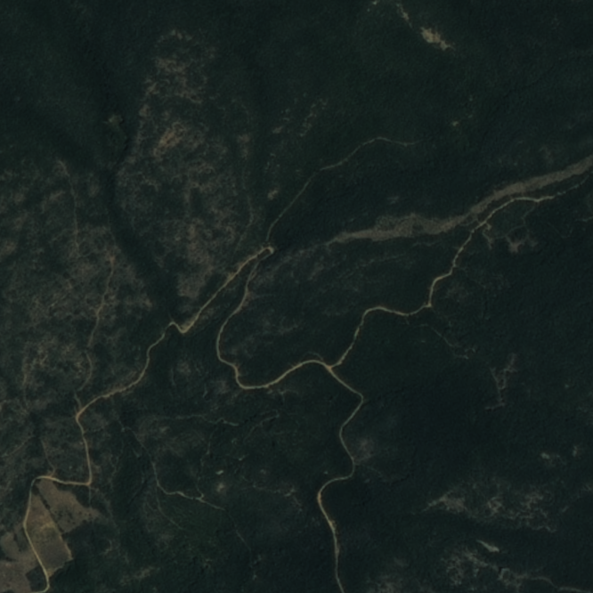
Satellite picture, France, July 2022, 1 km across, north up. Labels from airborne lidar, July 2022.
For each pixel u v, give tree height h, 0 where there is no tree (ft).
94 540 31
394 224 0
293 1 26
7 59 26
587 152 18
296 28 21
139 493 20
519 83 37
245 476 25
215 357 22
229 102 18
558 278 25
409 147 20
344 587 20
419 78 24
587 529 18
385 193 26
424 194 24
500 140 22
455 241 18
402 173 53
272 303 21
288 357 19
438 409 28
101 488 19
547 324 20
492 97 25
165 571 27
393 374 18
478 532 23
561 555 18
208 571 28
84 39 50
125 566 20
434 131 33
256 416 31
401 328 18
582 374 22
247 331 20
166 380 22
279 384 19
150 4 22
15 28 22
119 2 21
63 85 20
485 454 23
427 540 18
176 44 19
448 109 24
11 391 18
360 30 17
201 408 29
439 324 18
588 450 20
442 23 19
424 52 25
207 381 21
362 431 17
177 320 24
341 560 18
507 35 19
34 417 21
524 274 25
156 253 19
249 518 20
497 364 20
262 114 27
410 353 19
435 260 21
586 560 20
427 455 25
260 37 23
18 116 26
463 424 28
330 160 21
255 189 21
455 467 25
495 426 33
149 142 18
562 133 20
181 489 19
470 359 22
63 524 0
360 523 20
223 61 17
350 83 21
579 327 19
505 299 21
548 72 27
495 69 25
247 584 22
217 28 24
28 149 20
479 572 20
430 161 46
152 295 19
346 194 41
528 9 20
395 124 22
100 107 28
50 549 0
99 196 21
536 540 20
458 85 29
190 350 21
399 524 20
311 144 21
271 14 23
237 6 20
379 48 22
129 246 26
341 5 24
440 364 21
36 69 19
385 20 23
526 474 18
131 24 25
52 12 28
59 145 37
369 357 19
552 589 21
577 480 19
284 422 19
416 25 17
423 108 21
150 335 18
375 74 22
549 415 24
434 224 0
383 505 29
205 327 18
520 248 21
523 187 0
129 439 26
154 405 29
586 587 20
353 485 23
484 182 24
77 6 19
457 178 23
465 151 38
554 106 36
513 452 19
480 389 35
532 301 26
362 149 22
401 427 25
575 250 30
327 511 18
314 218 33
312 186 28
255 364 19
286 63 19
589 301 29
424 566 19
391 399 29
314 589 18
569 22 31
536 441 22
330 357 18
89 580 22
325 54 24
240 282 20
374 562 20
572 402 18
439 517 30
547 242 26
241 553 26
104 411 28
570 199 19
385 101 28
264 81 37
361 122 28
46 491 0
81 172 22
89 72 40
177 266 20
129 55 24
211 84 17
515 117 26
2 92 29
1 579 0
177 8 20
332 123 27
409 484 20
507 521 21
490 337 26
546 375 19
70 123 21
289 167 18
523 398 31
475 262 23
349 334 19
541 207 18
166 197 18
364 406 29
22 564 0
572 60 21
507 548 19
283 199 23
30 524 0
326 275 17
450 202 23
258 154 24
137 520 28
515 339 20
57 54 23
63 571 27
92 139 18
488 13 20
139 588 25
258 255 18
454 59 17
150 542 23
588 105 24
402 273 17
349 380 18
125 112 29
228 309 19
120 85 24
